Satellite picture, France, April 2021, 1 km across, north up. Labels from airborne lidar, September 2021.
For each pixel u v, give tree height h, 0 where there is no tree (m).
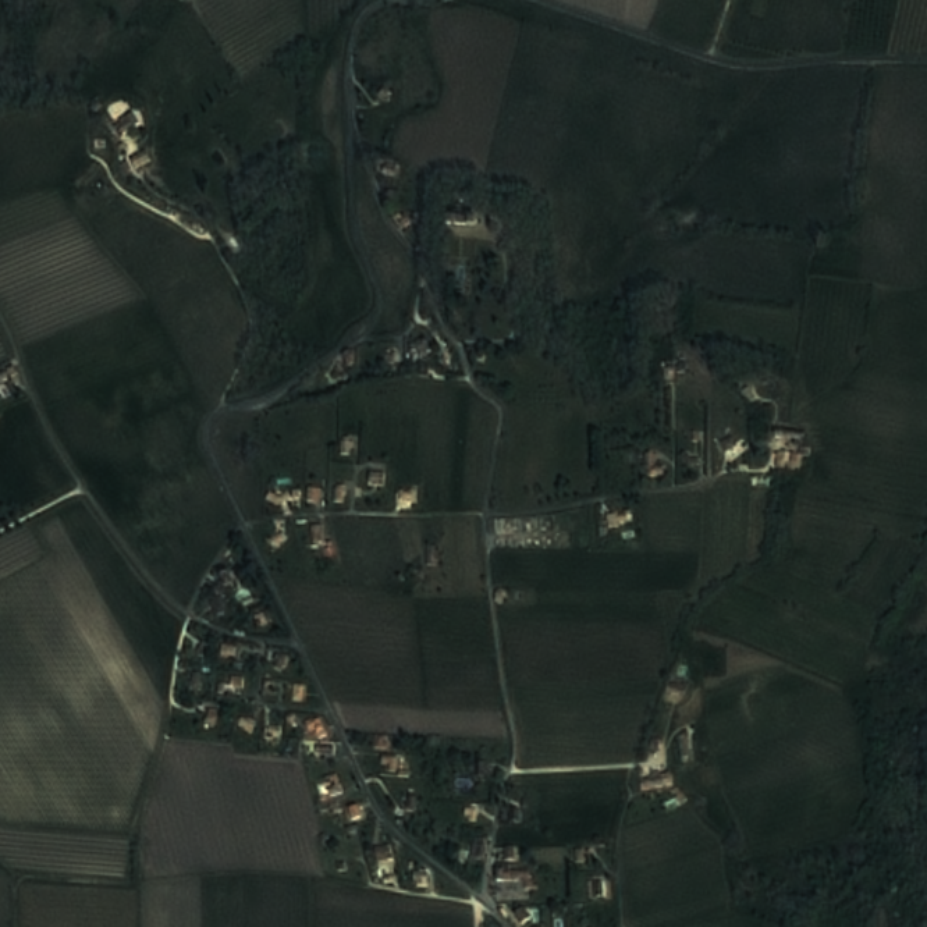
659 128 0
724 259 0
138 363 0
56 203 0
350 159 0
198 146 0
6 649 0
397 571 0
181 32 0
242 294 13
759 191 0
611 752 0
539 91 0
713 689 0
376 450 0
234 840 0
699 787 0
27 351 0
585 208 0
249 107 0
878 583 0
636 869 0
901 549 0
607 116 0
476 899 0
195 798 0
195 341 0
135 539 0
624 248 0
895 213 0
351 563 0
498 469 0
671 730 0
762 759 0
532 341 18
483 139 0
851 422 0
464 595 0
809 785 0
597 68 0
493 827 0
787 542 16
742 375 18
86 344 0
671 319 18
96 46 0
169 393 0
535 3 0
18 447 0
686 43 0
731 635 0
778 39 0
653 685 0
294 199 25
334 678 0
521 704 0
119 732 0
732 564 0
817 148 0
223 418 0
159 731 0
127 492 0
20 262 0
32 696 0
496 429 0
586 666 0
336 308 0
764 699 0
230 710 13
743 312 0
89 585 0
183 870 0
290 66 14
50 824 0
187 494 0
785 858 0
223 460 0
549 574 0
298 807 0
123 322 0
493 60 0
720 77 0
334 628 0
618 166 0
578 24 0
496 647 0
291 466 0
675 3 0
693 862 0
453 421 0
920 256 0
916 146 0
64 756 0
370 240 0
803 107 0
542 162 0
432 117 0
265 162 15
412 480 0
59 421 0
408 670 0
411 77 0
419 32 0
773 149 0
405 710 0
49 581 0
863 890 13
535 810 0
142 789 0
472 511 0
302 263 16
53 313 0
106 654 0
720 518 0
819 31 0
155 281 0
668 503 0
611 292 0
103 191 0
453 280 15
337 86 0
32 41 7
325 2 0
